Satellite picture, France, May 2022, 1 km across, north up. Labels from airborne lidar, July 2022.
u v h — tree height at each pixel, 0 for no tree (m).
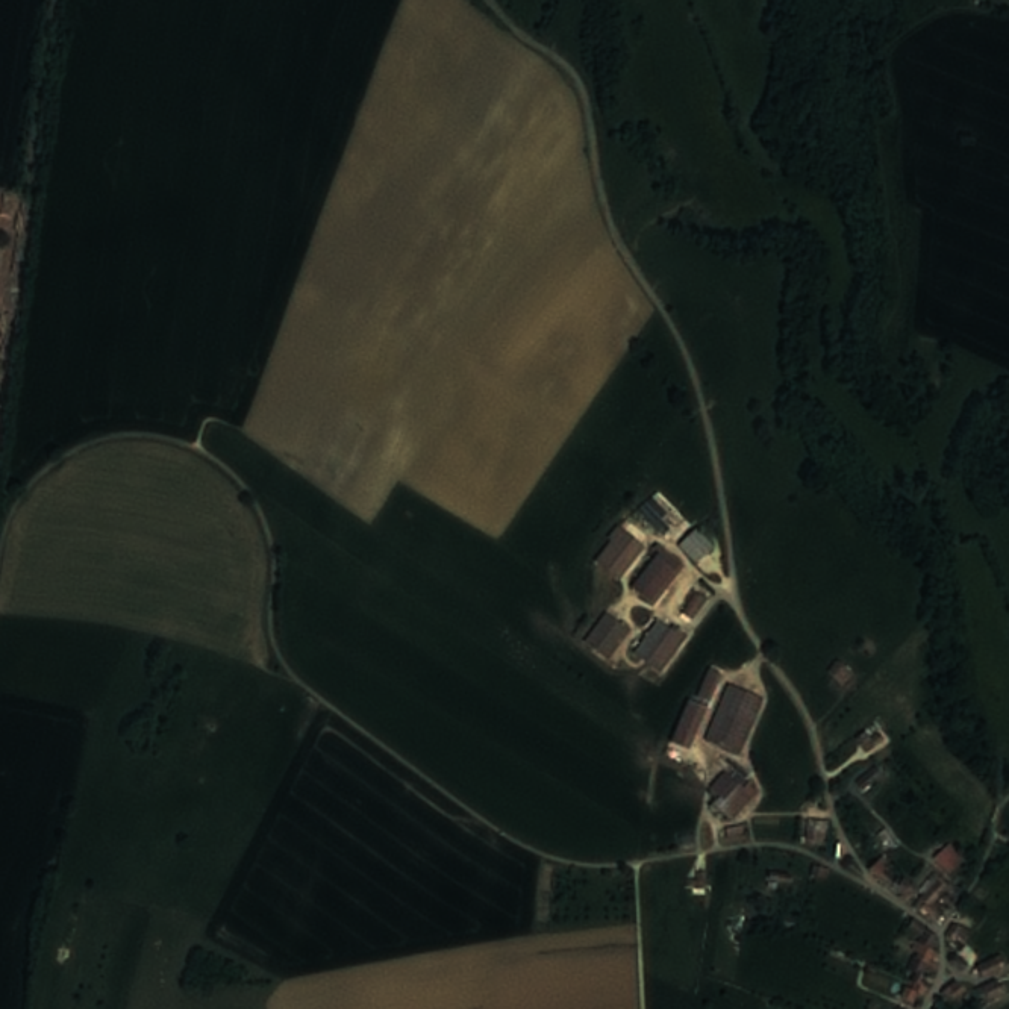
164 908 0
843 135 20
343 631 0
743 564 0
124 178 0
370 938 0
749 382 0
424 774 0
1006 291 0
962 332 0
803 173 14
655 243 0
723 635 0
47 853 0
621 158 0
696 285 0
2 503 13
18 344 14
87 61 0
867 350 20
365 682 0
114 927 0
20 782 0
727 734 0
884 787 0
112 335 0
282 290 0
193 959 13
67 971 0
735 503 0
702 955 0
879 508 22
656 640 0
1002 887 0
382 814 0
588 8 7
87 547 0
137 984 0
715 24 0
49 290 0
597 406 0
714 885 0
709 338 0
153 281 0
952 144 0
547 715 0
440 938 0
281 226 0
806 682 0
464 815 0
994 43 0
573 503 0
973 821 0
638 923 0
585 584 0
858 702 0
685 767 0
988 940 0
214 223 0
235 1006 0
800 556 0
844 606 0
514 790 0
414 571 0
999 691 0
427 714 0
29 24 0
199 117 0
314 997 0
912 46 0
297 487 0
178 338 0
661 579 0
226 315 0
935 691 16
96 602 0
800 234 17
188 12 0
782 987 0
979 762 21
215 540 0
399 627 0
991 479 19
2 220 0
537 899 0
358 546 0
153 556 0
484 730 0
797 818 7
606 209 0
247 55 0
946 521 15
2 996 0
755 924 11
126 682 0
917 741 0
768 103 11
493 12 13
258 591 0
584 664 0
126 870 0
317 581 0
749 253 18
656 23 0
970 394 0
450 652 0
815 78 17
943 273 0
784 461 0
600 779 0
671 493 0
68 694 0
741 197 0
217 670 0
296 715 0
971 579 0
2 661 0
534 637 0
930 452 0
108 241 0
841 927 0
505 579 0
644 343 8
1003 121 0
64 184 0
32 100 7
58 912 0
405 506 0
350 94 0
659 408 0
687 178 0
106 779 0
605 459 0
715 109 0
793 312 17
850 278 0
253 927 0
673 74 0
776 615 0
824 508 0
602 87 13
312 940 0
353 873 0
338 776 0
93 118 0
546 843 0
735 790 0
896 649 0
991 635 0
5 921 0
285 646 0
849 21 13
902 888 0
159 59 0
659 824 0
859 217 24
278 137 0
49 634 0
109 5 0
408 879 0
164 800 0
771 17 14
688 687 0
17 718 0
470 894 0
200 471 0
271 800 0
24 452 0
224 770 0
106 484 0
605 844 0
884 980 0
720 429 0
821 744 0
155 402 0
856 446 25
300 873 0
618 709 0
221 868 0
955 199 0
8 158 0
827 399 0
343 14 0
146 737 13
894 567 0
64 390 0
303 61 0
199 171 0
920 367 10
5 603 0
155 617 0
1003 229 0
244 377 0
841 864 7
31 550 0
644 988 0
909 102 0
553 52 0
